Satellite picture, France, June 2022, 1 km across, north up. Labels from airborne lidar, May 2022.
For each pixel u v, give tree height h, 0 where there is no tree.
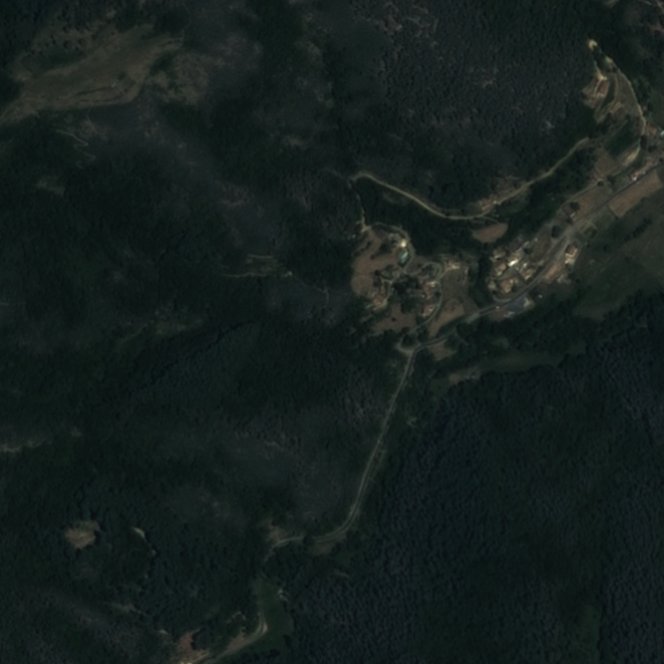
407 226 8
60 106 0
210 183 0
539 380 25
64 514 11
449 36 12
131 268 7
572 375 9
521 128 16
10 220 6
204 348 25
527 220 6
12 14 13
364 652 22
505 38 19
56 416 13
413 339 10
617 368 21
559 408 12
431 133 9
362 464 9
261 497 6
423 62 15
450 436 28
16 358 13
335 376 16
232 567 37
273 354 12
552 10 19
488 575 21
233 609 14
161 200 9
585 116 15
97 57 0
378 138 10
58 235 11
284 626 0
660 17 7
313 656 13
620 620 18
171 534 36
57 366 19
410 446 11
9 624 15
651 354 15
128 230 14
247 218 0
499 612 21
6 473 12
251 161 10
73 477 10
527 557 14
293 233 10
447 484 27
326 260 17
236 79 0
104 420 16
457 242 14
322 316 11
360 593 19
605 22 13
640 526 17
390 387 9
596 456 14
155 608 35
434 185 6
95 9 15
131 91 0
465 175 20
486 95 15
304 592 9
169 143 0
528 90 11
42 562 25
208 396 34
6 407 16
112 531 34
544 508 16
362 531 12
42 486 11
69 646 17
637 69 11
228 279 10
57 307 7
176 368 30
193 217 10
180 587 34
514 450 13
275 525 15
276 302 0
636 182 0
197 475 14
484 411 19
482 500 28
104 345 9
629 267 0
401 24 11
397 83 16
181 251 30
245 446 0
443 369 19
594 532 18
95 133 0
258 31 10
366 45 0
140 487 10
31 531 24
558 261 0
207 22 0
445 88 12
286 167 13
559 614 12
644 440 13
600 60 15
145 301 7
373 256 8
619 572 16
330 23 0
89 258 6
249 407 8
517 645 13
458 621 22
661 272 0
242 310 16
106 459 12
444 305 0
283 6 13
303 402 8
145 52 0
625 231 0
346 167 6
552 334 20
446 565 18
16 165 9
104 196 18
